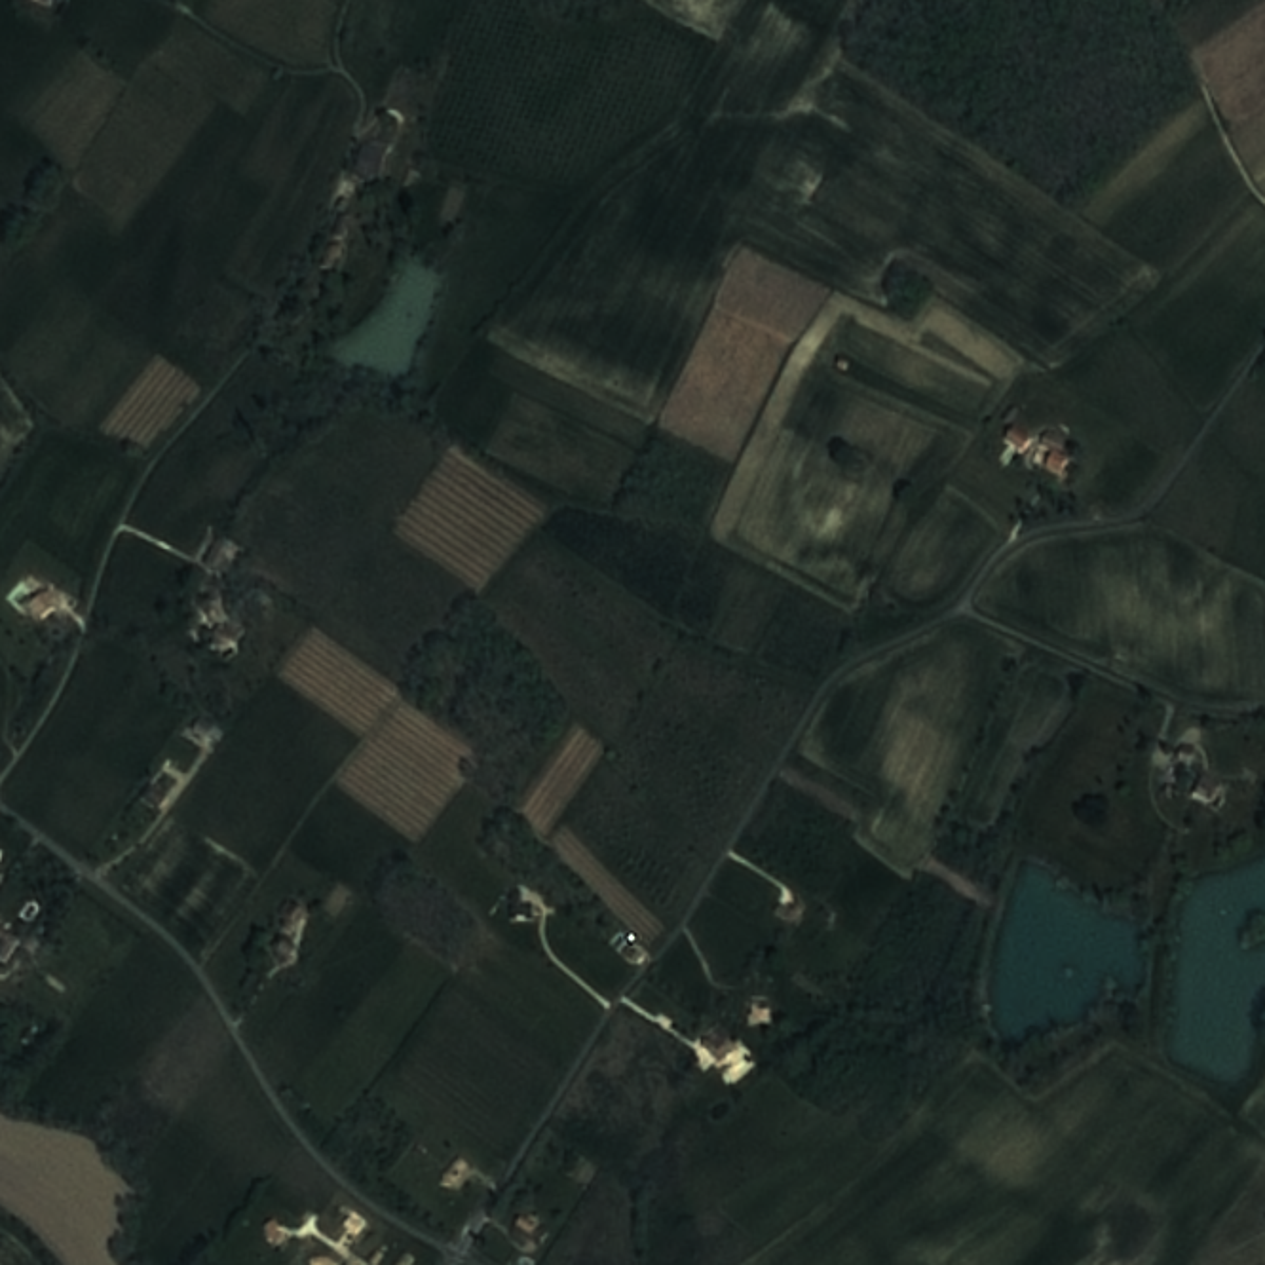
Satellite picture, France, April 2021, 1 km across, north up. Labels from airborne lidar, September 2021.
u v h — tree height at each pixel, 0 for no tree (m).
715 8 0
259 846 0
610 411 0
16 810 0
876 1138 0
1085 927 0
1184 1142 0
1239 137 0
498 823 9
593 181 0
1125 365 0
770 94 0
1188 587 0
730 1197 0
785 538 0
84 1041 0
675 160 0
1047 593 0
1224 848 10
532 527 0
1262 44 0
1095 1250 0
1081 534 0
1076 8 22
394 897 20
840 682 0
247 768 0
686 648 12
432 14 0
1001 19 22
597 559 7
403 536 0
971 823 0
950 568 0
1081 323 0
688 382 0
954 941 11
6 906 9
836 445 0
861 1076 7
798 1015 0
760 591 0
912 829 0
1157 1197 0
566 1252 0
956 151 0
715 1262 0
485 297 0
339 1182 0
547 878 16
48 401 0
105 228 0
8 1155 0
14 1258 0
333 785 0
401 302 0
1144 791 0
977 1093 0
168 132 0
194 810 0
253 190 0
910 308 13
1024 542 0
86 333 0
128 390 0
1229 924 0
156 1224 0
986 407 0
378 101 0
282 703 0
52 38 0
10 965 9
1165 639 0
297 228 0
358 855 0
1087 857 0
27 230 17
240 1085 0
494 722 22
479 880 0
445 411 0
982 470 0
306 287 16
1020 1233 0
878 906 0
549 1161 6
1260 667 0
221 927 0
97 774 0
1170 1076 0
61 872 10
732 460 0
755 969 8
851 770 0
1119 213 0
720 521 0
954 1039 17
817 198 0
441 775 0
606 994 0
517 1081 0
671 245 0
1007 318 0
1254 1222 0
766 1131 0
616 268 0
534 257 0
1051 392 0
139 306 0
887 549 0
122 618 0
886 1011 12
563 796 0
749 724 6
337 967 0
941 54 23
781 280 0
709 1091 0
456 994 0
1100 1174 0
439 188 0
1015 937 0
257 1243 0
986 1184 0
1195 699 0
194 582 14
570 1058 0
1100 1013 14
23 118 0
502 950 0
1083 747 0
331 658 0
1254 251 0
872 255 0
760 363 0
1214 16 0
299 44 0
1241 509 0
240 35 0
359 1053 0
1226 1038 0
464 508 0
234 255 0
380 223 13
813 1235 0
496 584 0
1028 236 0
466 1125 0
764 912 0
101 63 9
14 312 0
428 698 20
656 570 6
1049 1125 0
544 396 0
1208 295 0
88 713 0
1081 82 17
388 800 0
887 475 0
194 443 0
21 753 0
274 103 0
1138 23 22
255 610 19
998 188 0
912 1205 0
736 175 0
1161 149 0
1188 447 0
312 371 8
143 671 0
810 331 0
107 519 0
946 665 0
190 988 0
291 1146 0
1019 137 25
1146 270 0
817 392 0
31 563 0
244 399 0
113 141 0
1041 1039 13
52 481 0
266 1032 0
